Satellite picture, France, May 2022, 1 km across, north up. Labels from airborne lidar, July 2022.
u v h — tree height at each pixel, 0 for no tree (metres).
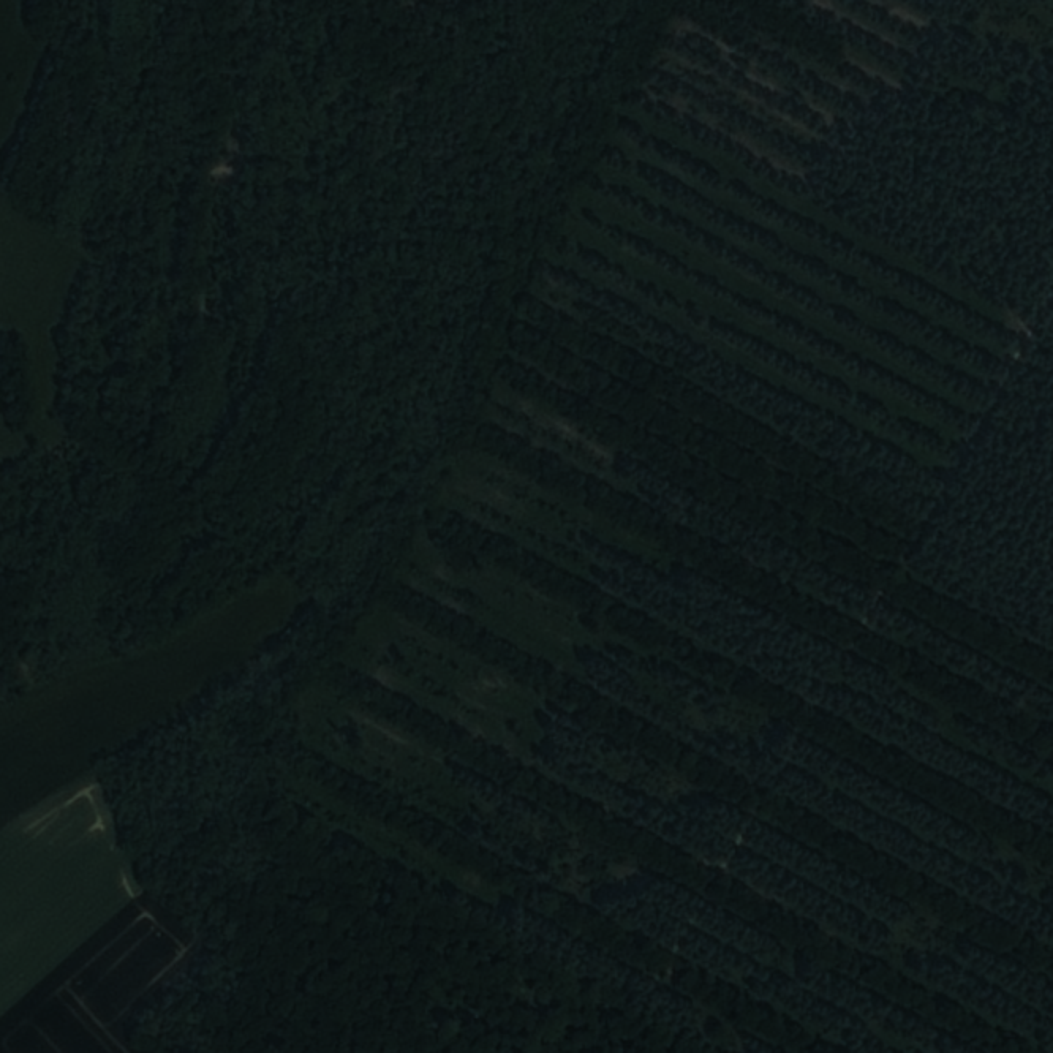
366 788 21
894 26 33
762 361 35
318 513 32
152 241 28
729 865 28
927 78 35
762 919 23
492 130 24
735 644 36
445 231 29
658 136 0
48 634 28
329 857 30
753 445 23
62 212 29
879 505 24
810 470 23
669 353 14
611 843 24
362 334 10
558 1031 27
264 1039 11
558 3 27
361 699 21
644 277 0
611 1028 29
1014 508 32
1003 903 29
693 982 23
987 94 6
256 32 6
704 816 37
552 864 12
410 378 26
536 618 0
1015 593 29
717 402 21
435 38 23
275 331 32
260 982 32
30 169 27
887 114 34
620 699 28
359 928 27
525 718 0
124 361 30
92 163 29
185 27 26
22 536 29
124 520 28
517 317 7
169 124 24
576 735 26
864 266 28
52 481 15
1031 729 24
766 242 35
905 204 31
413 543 25
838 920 30
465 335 20
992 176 35
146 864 20
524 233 26
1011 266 33
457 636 23
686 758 28
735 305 28
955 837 25
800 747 34
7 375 23
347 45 25
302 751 25
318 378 24
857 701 32
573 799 23
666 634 19
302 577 17
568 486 24
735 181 0
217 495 25
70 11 22
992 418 26
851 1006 35
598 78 22
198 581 28
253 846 28
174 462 15
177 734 26
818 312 35
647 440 20
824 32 29
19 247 0
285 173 16
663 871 21
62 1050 0
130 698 0
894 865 24
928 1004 24
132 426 29
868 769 25
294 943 33
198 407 19
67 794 0
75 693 0
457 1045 33
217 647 0
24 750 0
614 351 19
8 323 0
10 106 0
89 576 23
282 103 16
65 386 24
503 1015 30
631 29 22
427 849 23
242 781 29
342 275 26
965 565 28
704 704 34
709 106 31
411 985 31
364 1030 34
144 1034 21
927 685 26
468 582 0
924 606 29
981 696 30
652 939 27
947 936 7
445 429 27
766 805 27
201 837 27
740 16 35
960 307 30
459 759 24
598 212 0
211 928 25
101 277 22
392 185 23
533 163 27
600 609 26
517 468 23
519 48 27
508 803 32
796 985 26
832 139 36
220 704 28
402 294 17
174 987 17
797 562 34
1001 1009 37
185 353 31
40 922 0
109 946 0
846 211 29
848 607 37
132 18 31
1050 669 26
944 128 35
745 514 21
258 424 31
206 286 17
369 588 27
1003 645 28
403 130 18
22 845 0
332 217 28
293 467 26
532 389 24
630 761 32
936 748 36
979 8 29
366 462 27
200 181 31
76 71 27
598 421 26
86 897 0
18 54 0
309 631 27
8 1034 0
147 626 25
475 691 0
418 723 19
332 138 18
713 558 25
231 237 33
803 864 33
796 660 39
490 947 29
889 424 35
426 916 30
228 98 31
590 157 25
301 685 26
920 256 32
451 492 0
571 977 28
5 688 26
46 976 0
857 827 34
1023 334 0
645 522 24
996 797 30
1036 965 30
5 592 36
